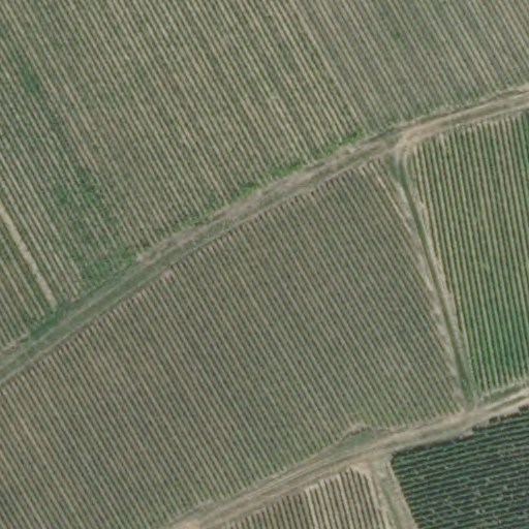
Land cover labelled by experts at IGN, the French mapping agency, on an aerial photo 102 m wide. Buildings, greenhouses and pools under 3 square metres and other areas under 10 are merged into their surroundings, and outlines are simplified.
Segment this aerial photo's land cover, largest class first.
<instances>
[{"label":"vineyard","instance_id":"1","mask_svg":"<svg viewBox=\"0 0 529 529\"><path fill-rule=\"evenodd\" d=\"M0 529H529V0H0Z\"/></svg>","mask_w":529,"mask_h":529}]
</instances>
